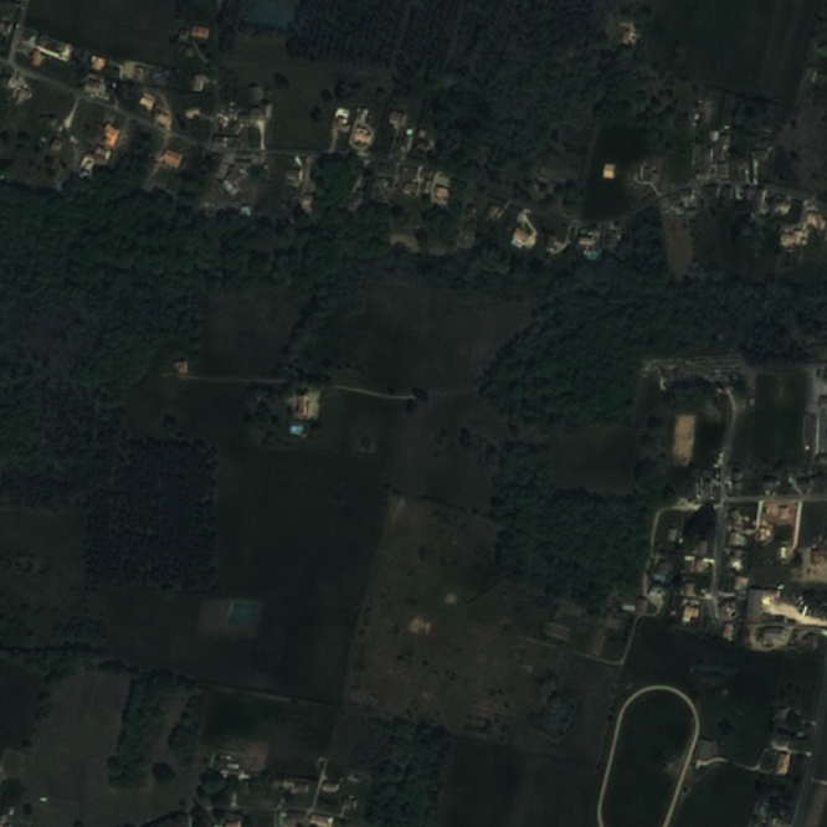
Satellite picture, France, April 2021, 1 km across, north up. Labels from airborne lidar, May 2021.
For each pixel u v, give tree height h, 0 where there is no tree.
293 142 0
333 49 17
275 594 0
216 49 0
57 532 0
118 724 0
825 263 0
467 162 19
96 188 16
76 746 0
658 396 0
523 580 13
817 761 0
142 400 0
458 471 0
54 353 12
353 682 0
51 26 0
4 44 8
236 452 0
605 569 17
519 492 15
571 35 21
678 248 0
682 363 0
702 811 0
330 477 0
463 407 0
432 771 17
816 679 0
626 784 0
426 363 0
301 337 15
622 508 19
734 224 0
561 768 0
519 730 0
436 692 0
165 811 0
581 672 0
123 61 0
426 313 0
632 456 0
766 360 0
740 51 0
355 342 0
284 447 7
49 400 13
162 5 0
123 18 0
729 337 13
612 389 23
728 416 0
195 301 9
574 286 19
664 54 0
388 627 0
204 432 0
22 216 17
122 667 13
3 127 0
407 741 11
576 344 20
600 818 0
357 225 24
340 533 0
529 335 11
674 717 0
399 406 0
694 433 0
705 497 0
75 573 0
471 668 0
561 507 18
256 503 0
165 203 19
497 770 0
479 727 0
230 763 12
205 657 0
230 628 0
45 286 17
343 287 14
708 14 0
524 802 0
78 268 25
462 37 13
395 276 17
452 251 23
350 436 0
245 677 0
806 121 0
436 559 0
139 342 19
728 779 0
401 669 0
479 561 0
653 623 0
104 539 12
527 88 20
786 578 0
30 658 9
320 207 17
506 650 0
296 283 14
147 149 7
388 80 0
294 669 0
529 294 12
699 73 0
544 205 8
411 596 0
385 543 0
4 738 0
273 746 0
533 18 18
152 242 16
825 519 0
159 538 10
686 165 0
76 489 18
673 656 0
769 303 23
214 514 8
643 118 11
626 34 0
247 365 0
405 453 0
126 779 11
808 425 0
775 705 7
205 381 0
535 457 16
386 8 14
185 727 9
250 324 0
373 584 0
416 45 16
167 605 0
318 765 0
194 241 21
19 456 13
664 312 24
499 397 16
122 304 18
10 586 0
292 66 0
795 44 0
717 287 21
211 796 13
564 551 17
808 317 14
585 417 12
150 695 21
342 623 0
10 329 10
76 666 7
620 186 0
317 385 11
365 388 0
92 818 0
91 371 17
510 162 16
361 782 0
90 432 8
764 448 0
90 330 13
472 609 0
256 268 22
